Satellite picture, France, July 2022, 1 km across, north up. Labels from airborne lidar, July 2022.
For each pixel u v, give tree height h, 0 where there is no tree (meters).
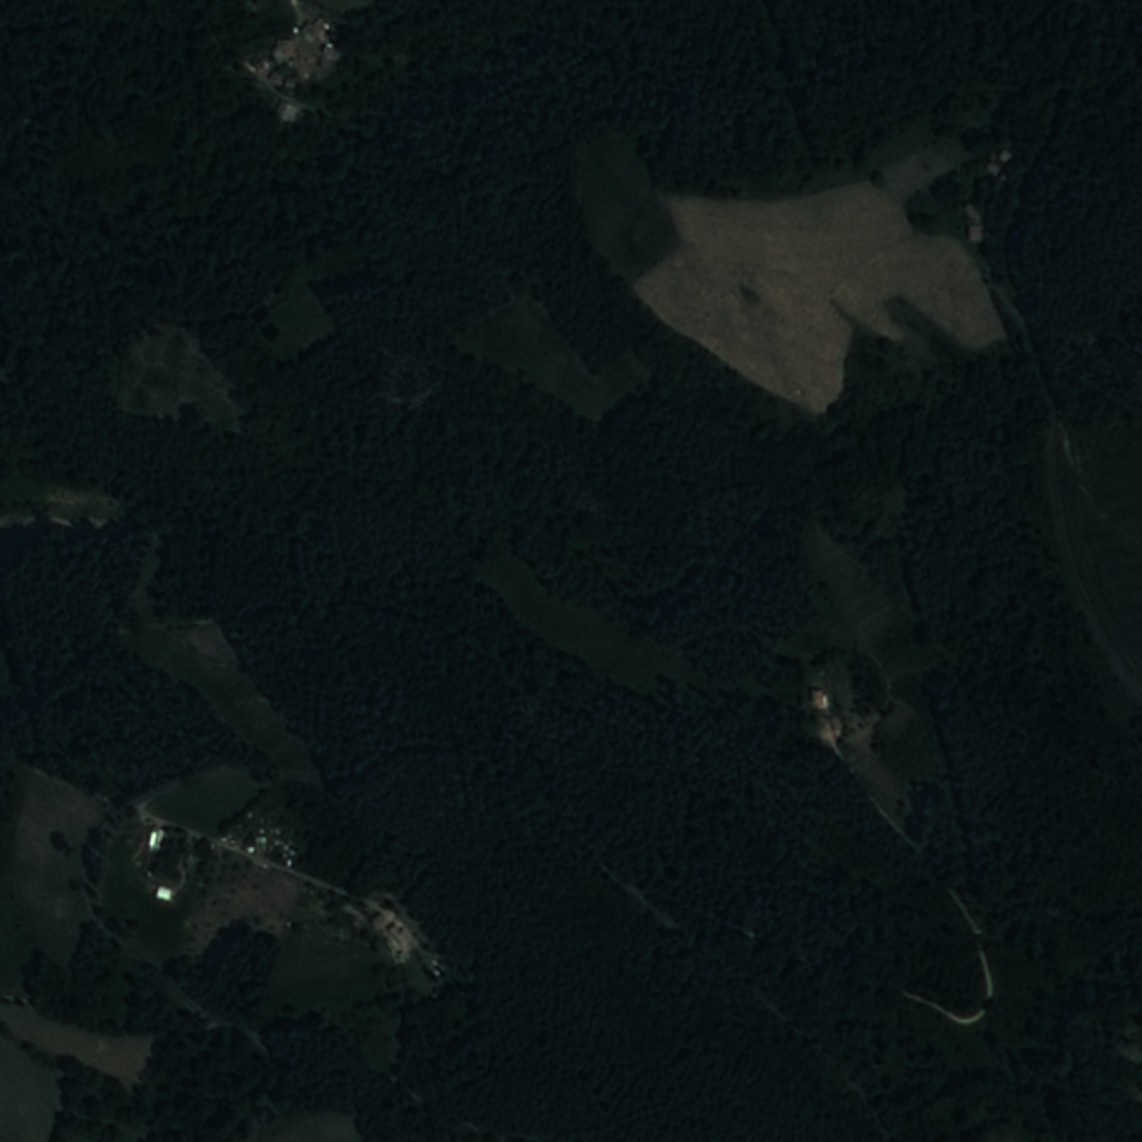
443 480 16
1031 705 22
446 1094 17
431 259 27
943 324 0
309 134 19
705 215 0
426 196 30
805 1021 24
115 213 24
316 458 14
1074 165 25
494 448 20
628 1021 19
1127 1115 18
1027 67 24
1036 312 31
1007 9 26
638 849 30
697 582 38
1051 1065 30
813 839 29
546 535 25
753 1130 24
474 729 22
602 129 20
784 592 32
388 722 27
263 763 21
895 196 0
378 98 27
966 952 8
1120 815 12
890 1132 20
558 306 18
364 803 31
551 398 15
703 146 33
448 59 29
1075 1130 20
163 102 16
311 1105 30
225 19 8
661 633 32
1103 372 26
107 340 20
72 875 0
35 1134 0
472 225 24
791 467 24
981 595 22
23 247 22
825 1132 13
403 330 30
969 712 19
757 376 0
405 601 20
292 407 17
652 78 28
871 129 10
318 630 28
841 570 0
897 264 0
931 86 25
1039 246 34
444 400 18
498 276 23
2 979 0
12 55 25
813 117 22
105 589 28
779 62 6
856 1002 27
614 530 24
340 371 18
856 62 26
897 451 19
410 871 20
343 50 22
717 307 0
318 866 8
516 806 24
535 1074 22
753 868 25
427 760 28
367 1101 19
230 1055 23
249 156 21
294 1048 38
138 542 32
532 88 30
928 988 6
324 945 0
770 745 22
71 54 23
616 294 15
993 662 12
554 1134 17
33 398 19
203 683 0
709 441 19
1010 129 28
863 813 35
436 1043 9
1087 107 23
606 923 22
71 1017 24
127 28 21
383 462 23
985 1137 12
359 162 26
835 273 0
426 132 32
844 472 24
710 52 25
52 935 0
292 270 14
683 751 39
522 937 22
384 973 15
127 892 0
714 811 17
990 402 25
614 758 33
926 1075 18
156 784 27
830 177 0
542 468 22
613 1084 20
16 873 0
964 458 17
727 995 29
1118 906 13
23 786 0
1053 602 16
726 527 31
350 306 30
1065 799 8
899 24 29
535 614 0
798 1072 18
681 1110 24
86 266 27
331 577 31
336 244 25
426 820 37
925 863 33
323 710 31
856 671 13
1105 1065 20
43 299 22
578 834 25
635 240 0
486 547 19
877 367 11
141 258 30
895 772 0
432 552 24
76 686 6
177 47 9
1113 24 22
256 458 20
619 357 13
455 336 9
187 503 8
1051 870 9
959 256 0
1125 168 25
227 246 18
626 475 27
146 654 0
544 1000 20
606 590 35
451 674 25
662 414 24
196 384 0
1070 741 9
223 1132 24
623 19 36
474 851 28
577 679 24
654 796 34
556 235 24
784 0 25
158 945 0
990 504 19
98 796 27
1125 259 26
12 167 19
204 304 26
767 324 0
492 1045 21
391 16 20
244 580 19
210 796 0
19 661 39
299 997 0
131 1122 18
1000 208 19
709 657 39
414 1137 20
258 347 8
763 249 0
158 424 18
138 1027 19
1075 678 11
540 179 24
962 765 24
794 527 24
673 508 22
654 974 22
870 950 22
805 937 34
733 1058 19
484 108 25
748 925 31
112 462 17
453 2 21
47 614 32
